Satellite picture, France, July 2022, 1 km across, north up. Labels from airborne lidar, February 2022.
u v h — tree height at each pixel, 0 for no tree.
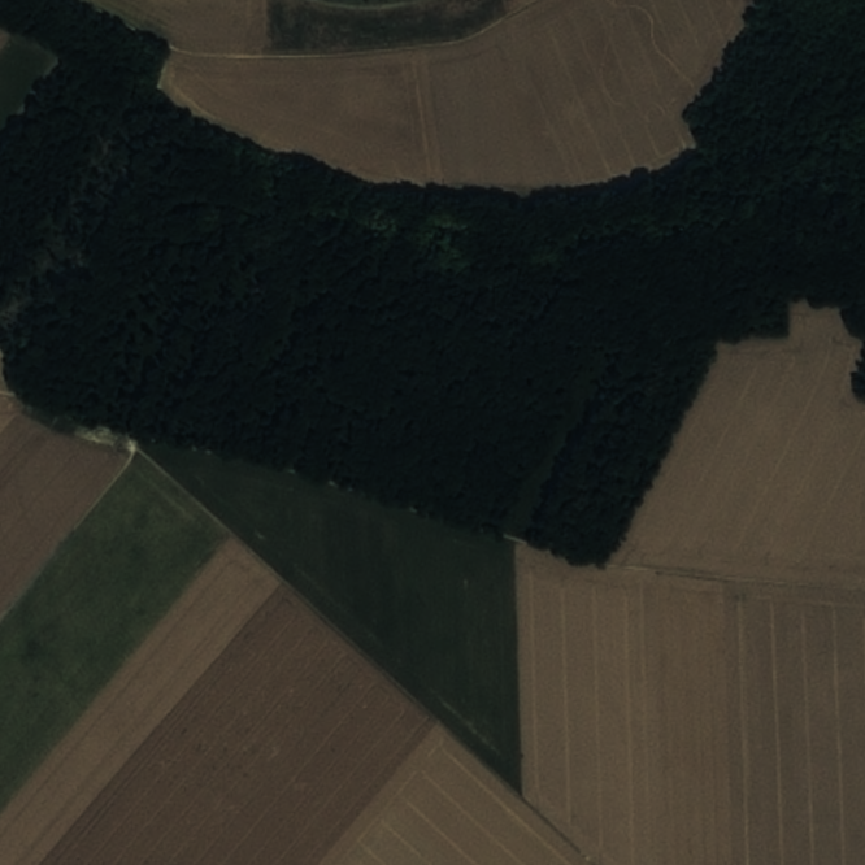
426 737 0
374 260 22
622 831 0
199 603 0
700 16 0
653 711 0
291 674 0
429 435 29
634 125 0
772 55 16
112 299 27
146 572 0
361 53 0
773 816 0
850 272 22
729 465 0
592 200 24
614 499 17
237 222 23
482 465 27
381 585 0
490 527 17
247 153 19
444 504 24
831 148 10
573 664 0
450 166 0
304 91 0
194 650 0
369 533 0
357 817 0
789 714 0
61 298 28
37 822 0
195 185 27
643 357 26
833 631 0
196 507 0
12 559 0
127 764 0
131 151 9
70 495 0
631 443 24
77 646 0
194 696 0
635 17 0
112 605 0
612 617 0
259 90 0
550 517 20
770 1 13
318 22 0
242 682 0
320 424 23
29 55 0
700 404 0
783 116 15
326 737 0
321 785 0
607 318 25
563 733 0
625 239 30
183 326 24
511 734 0
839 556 0
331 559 0
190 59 0
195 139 21
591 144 0
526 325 15
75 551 0
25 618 0
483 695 0
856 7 6
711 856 0
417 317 21
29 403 12
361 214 20
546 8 0
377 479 21
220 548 0
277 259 20
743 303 26
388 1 0
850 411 0
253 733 0
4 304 24
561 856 0
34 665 0
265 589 0
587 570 0
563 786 0
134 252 22
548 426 25
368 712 0
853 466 0
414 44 0
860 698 0
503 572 0
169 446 13
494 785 0
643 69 0
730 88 14
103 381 19
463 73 0
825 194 24
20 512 0
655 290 23
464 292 18
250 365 24
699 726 0
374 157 0
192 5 0
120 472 0
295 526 0
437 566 0
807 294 9
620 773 0
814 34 10
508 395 25
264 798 0
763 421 0
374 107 0
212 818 0
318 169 22
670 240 29
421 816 0
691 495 0
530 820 0
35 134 21
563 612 0
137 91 10
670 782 0
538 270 14
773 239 14
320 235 23
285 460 20
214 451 14
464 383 26
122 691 0
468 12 0
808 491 0
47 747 0
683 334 21
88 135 13
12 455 0
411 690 0
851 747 0
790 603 0
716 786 0
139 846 0
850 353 0
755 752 0
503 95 0
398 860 0
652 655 0
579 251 24
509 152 0
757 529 0
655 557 0
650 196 28
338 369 27
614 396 23
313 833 0
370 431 28
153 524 0
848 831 0
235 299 22
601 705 0
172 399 22
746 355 0
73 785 0
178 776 0
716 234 22
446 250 13
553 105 0
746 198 19
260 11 0
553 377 26
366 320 27
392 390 23
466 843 0
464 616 0
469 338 23
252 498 0
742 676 0
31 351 22
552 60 0
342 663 0
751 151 22
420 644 0
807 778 0
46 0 24
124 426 8
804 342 0
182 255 22
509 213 25
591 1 0
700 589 0
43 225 17
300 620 0
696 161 19
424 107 0
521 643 0
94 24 17
